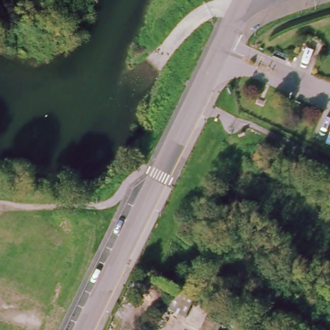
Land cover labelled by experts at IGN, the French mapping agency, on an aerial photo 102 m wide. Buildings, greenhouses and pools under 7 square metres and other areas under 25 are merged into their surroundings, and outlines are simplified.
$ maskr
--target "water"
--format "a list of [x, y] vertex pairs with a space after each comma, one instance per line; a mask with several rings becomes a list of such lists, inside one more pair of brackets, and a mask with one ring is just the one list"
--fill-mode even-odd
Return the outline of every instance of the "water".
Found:
[[35, 58], [6, 58], [0, 55], [0, 161], [27, 161], [36, 169], [39, 165], [49, 166], [50, 161], [57, 165], [58, 157], [62, 153], [68, 168], [73, 170], [77, 178], [104, 180], [119, 148], [138, 148], [142, 155], [151, 153], [152, 150], [152, 130], [144, 129], [137, 116], [139, 104], [150, 104], [151, 89], [160, 72], [147, 59], [137, 64], [133, 70], [128, 68], [126, 58], [130, 45], [137, 39], [152, 0], [93, 0], [95, 19], [89, 26], [89, 39], [81, 43], [71, 52], [63, 53], [54, 55], [49, 61], [37, 61]]

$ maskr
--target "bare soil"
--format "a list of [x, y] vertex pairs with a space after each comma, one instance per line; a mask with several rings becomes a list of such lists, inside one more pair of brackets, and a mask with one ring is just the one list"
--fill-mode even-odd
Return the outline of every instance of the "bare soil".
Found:
[[41, 316], [44, 313], [34, 309], [19, 311], [21, 300], [26, 296], [12, 290], [0, 289], [0, 330], [39, 330]]

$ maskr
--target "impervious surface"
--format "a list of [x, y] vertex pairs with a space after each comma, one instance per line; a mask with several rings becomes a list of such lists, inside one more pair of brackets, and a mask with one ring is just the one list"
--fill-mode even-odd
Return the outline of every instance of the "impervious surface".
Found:
[[330, 3], [330, 0], [211, 0], [189, 12], [171, 30], [162, 44], [150, 53], [147, 59], [160, 72], [175, 50], [196, 28], [213, 17], [217, 17], [217, 23], [211, 31], [208, 43], [202, 49], [195, 70], [186, 82], [186, 89], [180, 95], [177, 107], [159, 143], [152, 150], [151, 153], [147, 164], [139, 166], [129, 177], [122, 180], [115, 195], [108, 200], [75, 202], [68, 195], [62, 202], [41, 204], [19, 204], [0, 200], [0, 214], [8, 210], [53, 210], [55, 214], [81, 214], [86, 213], [88, 209], [108, 209], [116, 202], [121, 202], [64, 317], [62, 330], [102, 330], [122, 287], [128, 281], [131, 269], [137, 264], [147, 245], [148, 237], [164, 209], [166, 200], [169, 199], [175, 180], [179, 179], [209, 117], [222, 122], [227, 134], [237, 134], [245, 125], [249, 125], [249, 133], [269, 133], [268, 129], [262, 126], [238, 119], [217, 107], [215, 102], [222, 90], [231, 94], [229, 81], [235, 77], [249, 77], [246, 85], [255, 86], [262, 92], [255, 101], [258, 107], [264, 107], [269, 89], [275, 86], [277, 92], [290, 99], [291, 110], [303, 112], [304, 121], [317, 125], [318, 134], [325, 131], [329, 134], [326, 143], [330, 144], [330, 73], [316, 71], [316, 57], [312, 57], [312, 49], [308, 48], [303, 49], [299, 57], [280, 59], [269, 53], [257, 53], [258, 45], [247, 45], [247, 40], [263, 24]]
[[143, 296], [143, 302], [139, 306], [134, 307], [130, 303], [121, 304], [121, 308], [116, 312], [116, 317], [120, 318], [124, 330], [133, 330], [135, 317], [141, 316], [159, 296], [156, 295], [156, 291], [150, 290], [150, 293]]
[[155, 330], [186, 330], [182, 320], [186, 316], [166, 312]]

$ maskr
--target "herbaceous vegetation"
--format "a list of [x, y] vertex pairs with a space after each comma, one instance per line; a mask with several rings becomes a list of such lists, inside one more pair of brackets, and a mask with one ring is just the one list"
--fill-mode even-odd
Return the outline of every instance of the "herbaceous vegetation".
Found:
[[34, 186], [31, 192], [14, 192], [10, 180], [0, 179], [0, 200], [19, 204], [41, 204], [41, 192], [37, 191], [39, 186]]
[[316, 71], [330, 73], [330, 24], [321, 30], [309, 26], [300, 28], [298, 32], [317, 37], [315, 43], [307, 43], [308, 48], [312, 49], [312, 57], [316, 57]]
[[8, 210], [0, 214], [0, 289], [12, 290], [26, 296], [21, 300], [19, 311], [34, 309], [44, 313], [41, 316], [39, 330], [62, 330], [64, 317], [121, 202], [116, 202], [108, 209], [88, 209], [86, 213], [81, 214], [55, 214], [53, 210]]
[[308, 160], [317, 161], [322, 170], [330, 175], [330, 144], [326, 143], [329, 134], [325, 131], [318, 134], [317, 125], [304, 121], [303, 112], [291, 110], [290, 99], [277, 92], [275, 86], [269, 89], [264, 107], [258, 107], [255, 101], [262, 92], [255, 86], [246, 85], [249, 77], [235, 77], [229, 81], [231, 94], [222, 90], [215, 102], [217, 107], [238, 119], [262, 126], [268, 129], [269, 133], [249, 133], [249, 125], [245, 125], [237, 134], [227, 134], [222, 122], [209, 117], [179, 179], [175, 180], [169, 199], [166, 200], [164, 209], [148, 237], [147, 245], [137, 264], [131, 269], [128, 281], [122, 287], [102, 330], [124, 330], [120, 318], [116, 317], [116, 312], [121, 308], [121, 304], [130, 303], [129, 290], [134, 287], [134, 281], [142, 280], [143, 271], [153, 271], [157, 276], [183, 287], [186, 285], [186, 278], [179, 275], [178, 266], [191, 266], [200, 253], [197, 246], [202, 244], [204, 238], [202, 232], [195, 231], [191, 235], [182, 235], [178, 232], [178, 226], [175, 226], [173, 218], [177, 217], [175, 210], [182, 204], [183, 197], [192, 189], [200, 187], [200, 179], [205, 178], [210, 166], [213, 165], [211, 162], [217, 159], [220, 152], [231, 144], [236, 144], [241, 150], [245, 146], [259, 147], [263, 144], [268, 148], [280, 148], [285, 159], [298, 162], [299, 157], [304, 156]]
[[171, 30], [189, 12], [211, 0], [152, 0], [137, 39], [150, 53], [162, 44]]
[[264, 41], [269, 39], [269, 36], [280, 34], [295, 24], [330, 14], [330, 3], [263, 24], [247, 40], [247, 45], [258, 45], [257, 53], [269, 53], [280, 59], [299, 57], [303, 49], [294, 48], [290, 40], [280, 46], [268, 46]]
[[213, 17], [196, 28], [175, 50], [160, 72], [151, 89], [150, 104], [148, 120], [151, 121], [152, 130], [152, 150], [159, 143], [177, 107], [180, 95], [186, 89], [186, 82], [195, 70], [202, 49], [208, 43], [211, 31], [217, 23], [217, 17]]

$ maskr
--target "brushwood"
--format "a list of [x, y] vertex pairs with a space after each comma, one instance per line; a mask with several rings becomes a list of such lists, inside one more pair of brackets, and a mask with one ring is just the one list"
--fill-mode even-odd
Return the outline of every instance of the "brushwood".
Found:
[[257, 287], [251, 291], [250, 298], [258, 299], [260, 306], [269, 316], [275, 312], [282, 312], [308, 326], [316, 325], [315, 330], [330, 330], [330, 321], [313, 317], [315, 304], [309, 303], [306, 298], [294, 299], [291, 296], [276, 295], [267, 278], [257, 271], [254, 260], [244, 257], [224, 263], [219, 267], [217, 276], [236, 277], [237, 286], [241, 289], [244, 289], [247, 282], [254, 280]]
[[137, 64], [147, 59], [150, 53], [137, 39], [130, 45], [126, 58], [128, 68], [133, 70]]
[[220, 187], [224, 182], [231, 191], [240, 192], [242, 200], [255, 202], [259, 217], [273, 220], [280, 235], [290, 236], [291, 253], [295, 250], [300, 257], [311, 263], [318, 260], [321, 266], [326, 260], [330, 263], [330, 220], [318, 217], [320, 206], [309, 205], [306, 197], [300, 193], [285, 195], [285, 184], [278, 182], [271, 175], [242, 170], [241, 150], [236, 144], [231, 144], [220, 152], [217, 159], [211, 162], [213, 165], [210, 166], [205, 178], [208, 182], [213, 182], [214, 193], [226, 192]]
[[151, 121], [148, 120], [150, 104], [139, 104], [137, 116], [144, 129], [152, 130]]
[[79, 37], [81, 43], [89, 39], [89, 26], [95, 19], [93, 0], [0, 0], [0, 55], [6, 58], [35, 58], [37, 61], [49, 61], [54, 55], [63, 53], [61, 46], [67, 43], [67, 37], [55, 36], [54, 32], [41, 28], [37, 23], [37, 14], [49, 15], [57, 12], [64, 18], [71, 18], [76, 24], [73, 35]]

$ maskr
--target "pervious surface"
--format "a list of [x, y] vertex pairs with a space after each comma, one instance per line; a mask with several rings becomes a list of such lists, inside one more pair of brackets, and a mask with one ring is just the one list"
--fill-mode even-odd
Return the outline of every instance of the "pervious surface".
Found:
[[309, 26], [321, 30], [330, 24], [330, 14], [295, 24], [280, 34], [269, 36], [269, 39], [264, 41], [268, 46], [280, 46], [290, 40], [298, 32], [300, 28]]

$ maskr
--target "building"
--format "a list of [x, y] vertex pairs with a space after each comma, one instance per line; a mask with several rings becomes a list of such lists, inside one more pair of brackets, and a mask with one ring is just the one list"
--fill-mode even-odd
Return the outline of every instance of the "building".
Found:
[[200, 330], [206, 312], [200, 306], [193, 306], [191, 302], [195, 286], [186, 285], [183, 287], [171, 300], [166, 312], [186, 316], [182, 320], [186, 330]]

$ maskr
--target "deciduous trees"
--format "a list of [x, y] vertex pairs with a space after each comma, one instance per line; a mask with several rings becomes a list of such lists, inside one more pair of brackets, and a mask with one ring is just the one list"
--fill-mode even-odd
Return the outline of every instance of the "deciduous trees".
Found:
[[108, 200], [115, 195], [122, 180], [129, 177], [139, 166], [147, 164], [151, 153], [142, 155], [138, 148], [119, 148], [104, 180], [77, 178], [73, 170], [68, 168], [62, 153], [58, 157], [57, 165], [50, 161], [49, 166], [39, 165], [36, 169], [27, 161], [0, 161], [0, 179], [10, 180], [14, 192], [31, 192], [34, 186], [39, 186], [37, 191], [41, 192], [41, 204], [62, 202], [68, 195], [75, 202]]
[[300, 193], [306, 197], [309, 205], [320, 206], [318, 217], [330, 220], [330, 175], [322, 170], [317, 161], [308, 160], [304, 156], [299, 157], [298, 162], [285, 159], [280, 148], [268, 148], [263, 144], [259, 147], [245, 146], [241, 150], [242, 170], [271, 175], [278, 182], [285, 184], [285, 195]]
[[156, 291], [156, 295], [159, 296], [141, 316], [135, 317], [133, 330], [155, 330], [166, 312], [171, 300], [183, 287], [157, 276], [153, 271], [143, 271], [142, 280], [134, 281], [134, 287], [129, 290], [130, 303], [134, 307], [139, 306], [143, 302], [143, 296], [150, 293], [150, 290]]
[[260, 306], [258, 299], [250, 298], [251, 291], [257, 287], [254, 280], [247, 282], [244, 289], [241, 289], [237, 286], [236, 277], [217, 276], [219, 267], [224, 263], [244, 257], [254, 260], [257, 271], [267, 278], [276, 295], [291, 296], [294, 299], [306, 298], [309, 303], [315, 304], [313, 317], [330, 321], [330, 263], [326, 260], [321, 266], [318, 260], [311, 263], [300, 257], [295, 250], [291, 253], [290, 236], [280, 235], [273, 220], [259, 217], [255, 202], [242, 200], [240, 192], [231, 191], [224, 182], [220, 187], [226, 192], [214, 193], [213, 182], [208, 182], [205, 178], [200, 179], [200, 187], [192, 189], [183, 197], [182, 204], [175, 210], [177, 217], [173, 218], [175, 226], [178, 226], [178, 232], [182, 235], [191, 235], [195, 231], [202, 232], [204, 238], [202, 244], [197, 246], [200, 253], [191, 266], [178, 266], [179, 275], [186, 278], [186, 285], [195, 286], [191, 302], [193, 306], [200, 306], [206, 312], [200, 330], [315, 330], [316, 325], [308, 326], [282, 312], [275, 312], [269, 316]]
[[290, 40], [294, 48], [303, 49], [308, 48], [307, 43], [315, 43], [317, 37], [298, 32]]

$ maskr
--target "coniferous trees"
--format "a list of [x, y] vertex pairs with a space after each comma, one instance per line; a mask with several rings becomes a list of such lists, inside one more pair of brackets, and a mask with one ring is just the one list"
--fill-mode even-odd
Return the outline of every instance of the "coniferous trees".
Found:
[[71, 18], [64, 18], [57, 12], [49, 15], [37, 14], [37, 23], [41, 28], [54, 32], [55, 36], [67, 37], [67, 43], [61, 46], [63, 53], [71, 52], [81, 43], [79, 37], [73, 35], [76, 24]]

